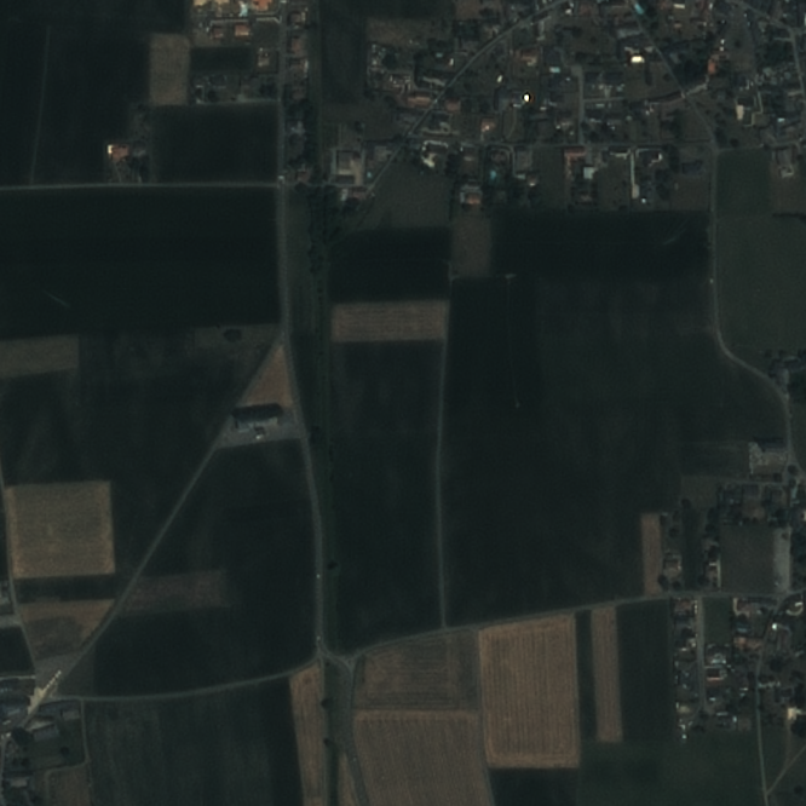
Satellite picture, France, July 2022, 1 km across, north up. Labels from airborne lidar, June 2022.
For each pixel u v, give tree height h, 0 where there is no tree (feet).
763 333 0
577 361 0
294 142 32
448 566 0
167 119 0
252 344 0
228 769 0
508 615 0
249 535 0
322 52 0
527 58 0
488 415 0
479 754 0
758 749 0
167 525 0
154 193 0
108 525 0
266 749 0
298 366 0
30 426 0
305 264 0
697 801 0
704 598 0
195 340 0
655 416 0
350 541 0
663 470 0
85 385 0
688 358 0
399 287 0
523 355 0
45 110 0
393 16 0
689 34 0
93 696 0
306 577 0
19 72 0
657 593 0
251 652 0
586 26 0
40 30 0
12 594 0
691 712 0
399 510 0
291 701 0
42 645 0
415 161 18
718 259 0
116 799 0
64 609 0
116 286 0
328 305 0
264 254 0
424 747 0
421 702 0
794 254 0
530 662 0
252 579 0
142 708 0
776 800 0
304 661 0
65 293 0
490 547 0
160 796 0
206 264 0
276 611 0
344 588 0
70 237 0
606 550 0
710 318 0
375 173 0
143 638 0
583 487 0
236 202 0
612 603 0
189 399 0
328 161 0
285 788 0
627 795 0
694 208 0
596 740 0
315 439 48
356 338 0
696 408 0
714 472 0
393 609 0
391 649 0
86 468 0
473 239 0
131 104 0
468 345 0
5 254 0
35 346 0
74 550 0
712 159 0
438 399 0
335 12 0
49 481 0
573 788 0
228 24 0
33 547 0
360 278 0
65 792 0
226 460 0
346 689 0
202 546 0
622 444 0
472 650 0
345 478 0
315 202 30
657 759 0
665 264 0
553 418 0
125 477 0
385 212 0
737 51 0
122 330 0
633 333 0
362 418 0
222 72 0
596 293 0
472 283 0
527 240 0
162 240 0
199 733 0
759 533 0
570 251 0
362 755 0
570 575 0
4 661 0
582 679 0
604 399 0
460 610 0
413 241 0
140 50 0
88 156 0
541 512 0
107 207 0
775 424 0
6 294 0
